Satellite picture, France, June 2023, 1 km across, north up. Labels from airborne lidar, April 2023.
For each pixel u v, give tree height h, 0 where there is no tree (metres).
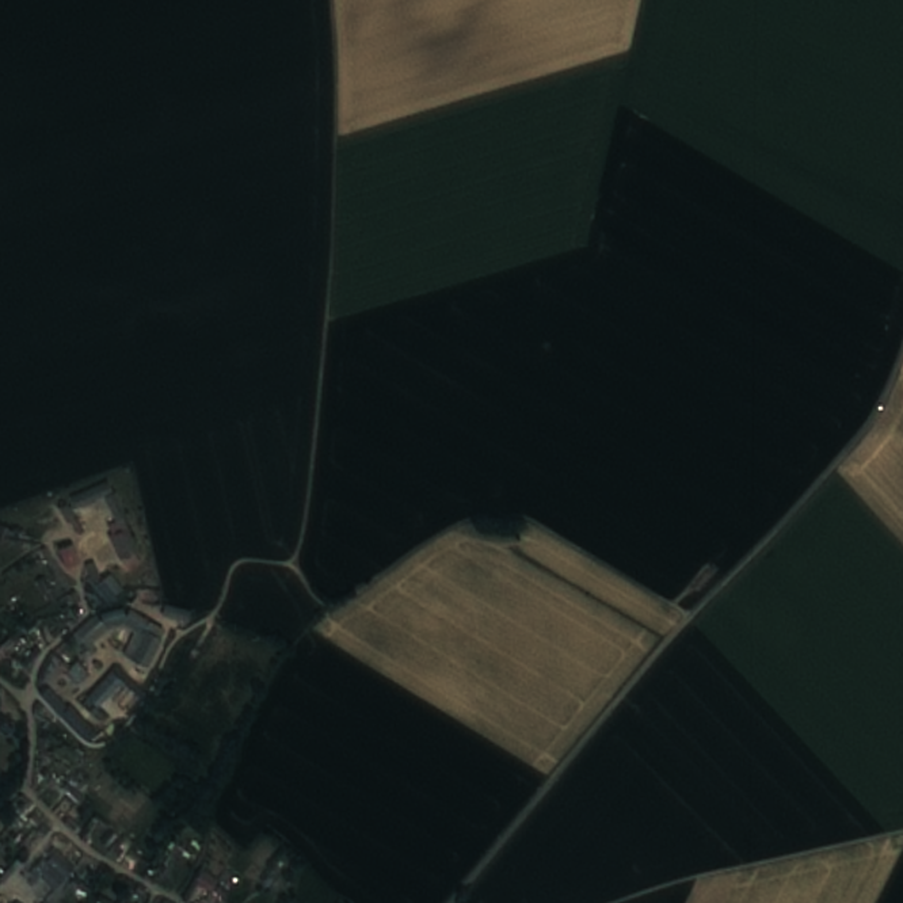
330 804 0
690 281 0
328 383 0
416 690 0
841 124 0
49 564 0
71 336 0
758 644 0
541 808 0
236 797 0
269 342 0
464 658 0
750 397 0
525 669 0
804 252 0
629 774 0
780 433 0
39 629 0
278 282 0
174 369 0
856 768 0
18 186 0
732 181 0
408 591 0
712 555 0
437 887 0
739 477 0
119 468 0
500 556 0
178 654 0
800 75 0
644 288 0
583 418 0
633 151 0
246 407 0
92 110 0
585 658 0
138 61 0
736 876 0
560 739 0
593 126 0
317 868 0
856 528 0
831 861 0
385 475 0
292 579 0
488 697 0
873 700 0
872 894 0
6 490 0
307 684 0
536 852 0
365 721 0
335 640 0
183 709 0
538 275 0
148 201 0
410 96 0
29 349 0
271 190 0
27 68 0
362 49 0
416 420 0
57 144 0
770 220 0
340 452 0
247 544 0
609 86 0
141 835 0
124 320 0
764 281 0
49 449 0
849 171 0
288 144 0
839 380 0
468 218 0
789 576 0
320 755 0
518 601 0
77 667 0
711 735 0
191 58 0
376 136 0
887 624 0
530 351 0
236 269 0
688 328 0
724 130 0
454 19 0
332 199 0
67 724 0
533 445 0
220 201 0
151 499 0
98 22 0
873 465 0
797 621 0
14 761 8
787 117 0
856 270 0
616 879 0
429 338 0
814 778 0
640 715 0
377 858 0
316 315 0
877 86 0
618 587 0
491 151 0
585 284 0
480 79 0
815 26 0
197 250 0
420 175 0
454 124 0
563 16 0
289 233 0
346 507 0
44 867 0
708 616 0
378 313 0
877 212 0
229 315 0
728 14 0
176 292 0
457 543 0
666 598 0
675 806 0
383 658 0
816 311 0
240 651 0
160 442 0
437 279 0
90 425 0
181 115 0
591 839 0
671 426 0
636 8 0
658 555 0
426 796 0
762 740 0
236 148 0
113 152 0
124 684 0
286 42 0
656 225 0
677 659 0
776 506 0
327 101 0
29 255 0
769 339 0
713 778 0
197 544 0
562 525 0
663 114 0
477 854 0
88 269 0
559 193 0
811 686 0
